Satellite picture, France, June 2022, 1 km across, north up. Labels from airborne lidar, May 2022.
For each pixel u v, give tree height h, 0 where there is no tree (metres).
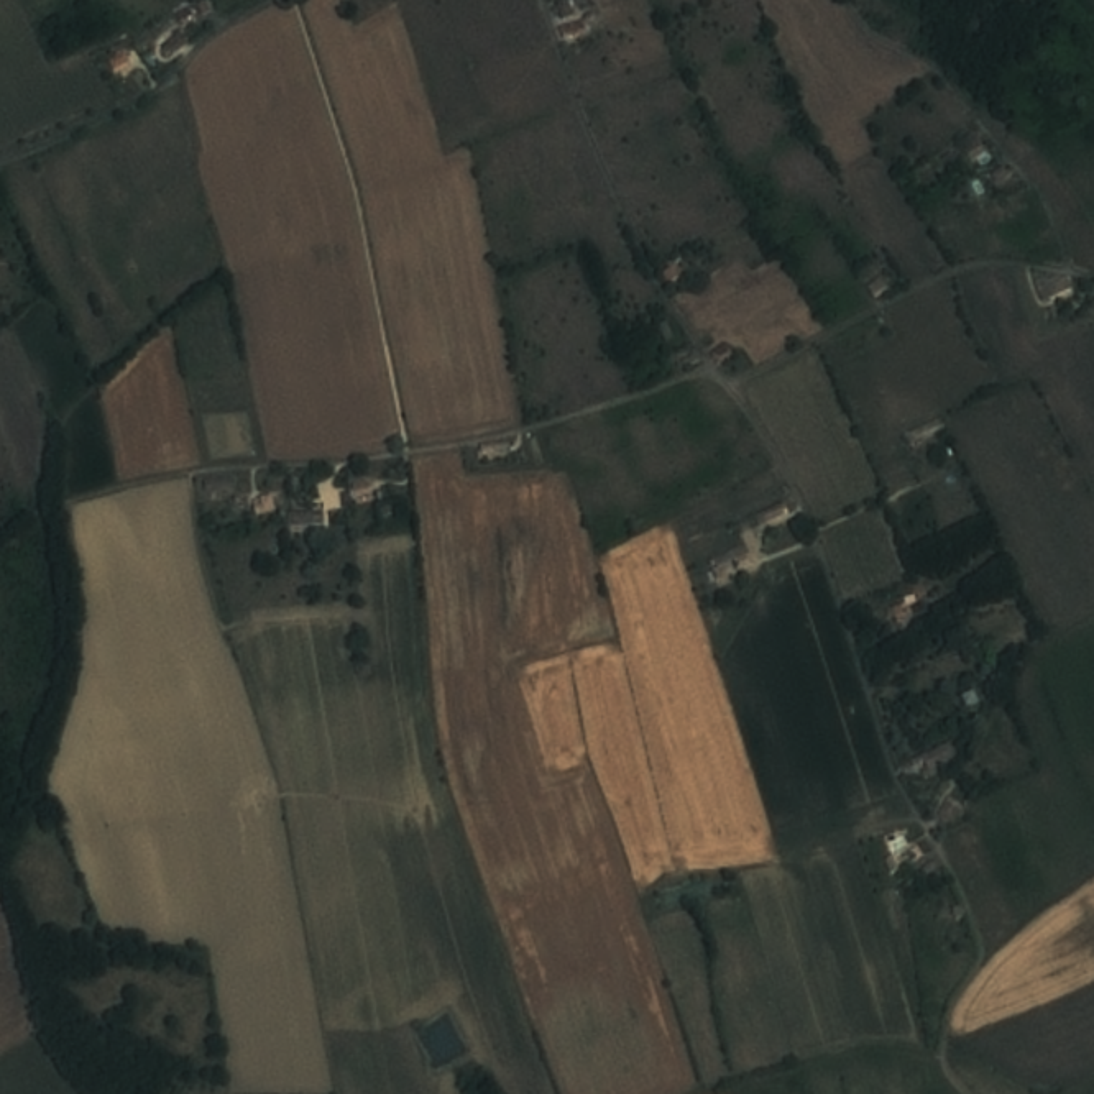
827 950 0
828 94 0
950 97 0
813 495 0
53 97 0
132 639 0
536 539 0
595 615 0
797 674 0
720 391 0
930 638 15
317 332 0
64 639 16
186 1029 0
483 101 0
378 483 0
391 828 0
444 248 0
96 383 15
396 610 0
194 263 0
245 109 0
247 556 0
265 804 0
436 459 0
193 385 0
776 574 0
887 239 0
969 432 0
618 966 0
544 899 0
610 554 0
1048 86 6
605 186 0
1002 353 0
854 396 0
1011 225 0
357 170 0
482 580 0
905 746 12
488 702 0
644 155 0
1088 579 0
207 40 0
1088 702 0
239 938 0
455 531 0
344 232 0
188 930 0
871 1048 0
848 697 0
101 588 0
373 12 0
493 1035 0
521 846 0
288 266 0
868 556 0
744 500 0
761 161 0
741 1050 0
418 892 0
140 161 0
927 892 6
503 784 0
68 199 0
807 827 0
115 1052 23
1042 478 0
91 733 0
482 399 0
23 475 0
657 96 0
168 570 0
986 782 7
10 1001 0
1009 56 16
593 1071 0
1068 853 0
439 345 0
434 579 0
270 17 0
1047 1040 0
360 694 0
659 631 0
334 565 0
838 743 0
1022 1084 0
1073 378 0
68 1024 15
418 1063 0
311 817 0
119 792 0
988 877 0
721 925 0
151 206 0
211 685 0
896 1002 0
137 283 0
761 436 0
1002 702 14
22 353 0
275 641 0
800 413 0
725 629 0
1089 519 0
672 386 0
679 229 0
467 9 0
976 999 0
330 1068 0
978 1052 0
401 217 0
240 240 0
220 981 0
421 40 0
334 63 0
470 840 0
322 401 0
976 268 0
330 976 0
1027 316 0
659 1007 0
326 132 0
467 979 0
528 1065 0
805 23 0
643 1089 0
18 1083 0
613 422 0
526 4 0
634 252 10
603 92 0
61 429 13
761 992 0
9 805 9
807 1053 0
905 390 0
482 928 0
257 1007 0
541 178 0
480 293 0
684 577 0
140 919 0
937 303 0
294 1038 0
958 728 12
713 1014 6
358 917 0
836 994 0
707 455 0
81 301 0
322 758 0
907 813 0
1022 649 13
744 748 0
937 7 12
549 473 0
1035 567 0
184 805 0
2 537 17
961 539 13
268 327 0
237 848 0
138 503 0
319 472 14
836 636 0
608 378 0
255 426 0
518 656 0
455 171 0
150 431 0
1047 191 0
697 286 7
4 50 0
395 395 0
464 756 0
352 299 0
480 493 0
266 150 0
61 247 0
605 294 7
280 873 0
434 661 0
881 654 17
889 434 0
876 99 0
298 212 0
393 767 0
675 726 0
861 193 0
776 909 0
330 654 0
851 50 0
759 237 9
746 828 0
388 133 0
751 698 0
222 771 0
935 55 8
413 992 0
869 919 0
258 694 0
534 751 0
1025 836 0
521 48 0
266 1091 0
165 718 0
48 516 15
